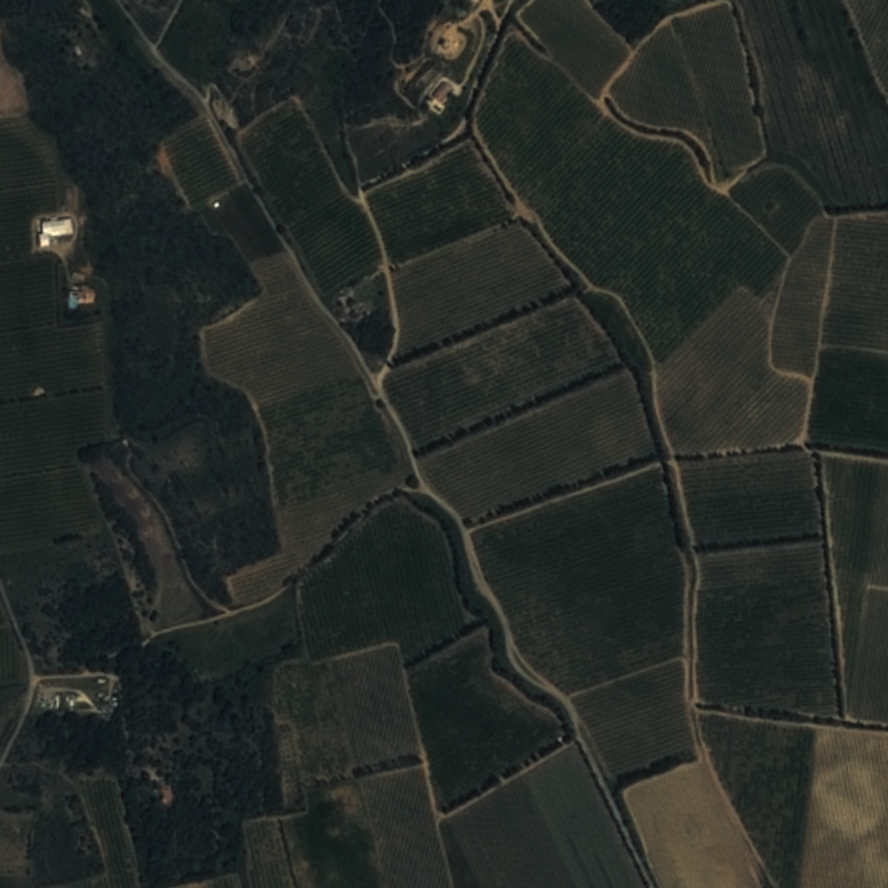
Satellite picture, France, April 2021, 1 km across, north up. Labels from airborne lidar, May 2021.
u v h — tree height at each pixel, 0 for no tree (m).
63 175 0
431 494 0
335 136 0
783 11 0
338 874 0
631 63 0
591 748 0
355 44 6
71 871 0
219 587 7
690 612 0
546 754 13
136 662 9
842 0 0
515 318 14
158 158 0
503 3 0
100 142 6
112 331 0
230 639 0
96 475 8
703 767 0
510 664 0
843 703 12
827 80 0
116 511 6
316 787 14
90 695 0
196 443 0
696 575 0
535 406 12
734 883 0
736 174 0
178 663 9
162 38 0
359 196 0
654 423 15
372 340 8
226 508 0
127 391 7
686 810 0
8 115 0
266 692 0
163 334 0
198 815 8
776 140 0
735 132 0
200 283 0
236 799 6
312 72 0
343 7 7
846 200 0
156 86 7
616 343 13
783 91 0
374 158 0
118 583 6
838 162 0
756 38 0
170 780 10
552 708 11
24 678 0
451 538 12
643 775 7
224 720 8
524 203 0
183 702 7
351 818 0
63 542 10
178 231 6
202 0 0
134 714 6
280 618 0
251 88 0
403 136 0
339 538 8
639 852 6
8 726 0
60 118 8
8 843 0
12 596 0
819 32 0
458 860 0
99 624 6
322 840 0
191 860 6
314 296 0
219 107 0
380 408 7
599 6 7
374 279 0
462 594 13
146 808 6
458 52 0
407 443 0
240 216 0
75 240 0
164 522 0
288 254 0
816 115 0
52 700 0
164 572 0
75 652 6
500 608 0
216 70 0
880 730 10
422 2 7
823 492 11
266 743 6
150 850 7
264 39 0
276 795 6
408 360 12
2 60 0
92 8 0
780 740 0
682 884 0
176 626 0
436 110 0
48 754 6
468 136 10
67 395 7
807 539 10
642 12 8
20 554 0
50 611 6
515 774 11
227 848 6
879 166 0
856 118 0
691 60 0
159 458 0
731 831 0
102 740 11
